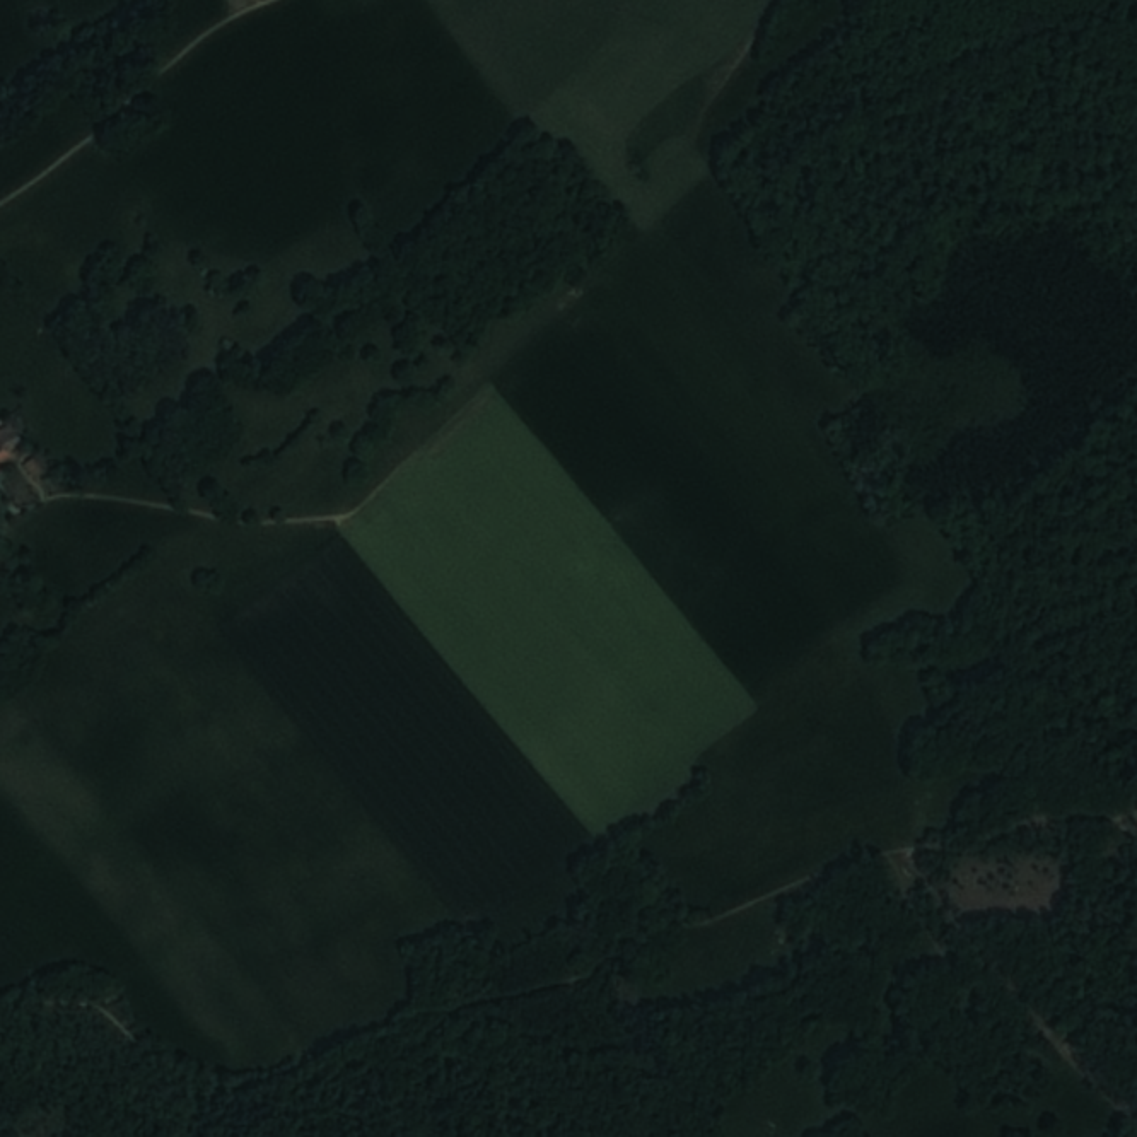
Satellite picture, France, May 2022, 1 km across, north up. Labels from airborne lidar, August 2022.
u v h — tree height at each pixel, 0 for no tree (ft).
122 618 0
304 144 0
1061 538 75
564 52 0
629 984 88
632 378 0
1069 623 45
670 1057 58
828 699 0
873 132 74
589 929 53
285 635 0
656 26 0
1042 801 54
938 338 61
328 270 0
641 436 0
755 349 0
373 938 0
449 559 0
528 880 0
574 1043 24
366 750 0
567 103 0
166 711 0
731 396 0
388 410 62
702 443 0
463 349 60
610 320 0
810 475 0
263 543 0
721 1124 36
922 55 58
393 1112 66
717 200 0
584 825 0
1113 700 63
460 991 38
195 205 0
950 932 52
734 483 0
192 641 0
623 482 0
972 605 52
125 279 30
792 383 0
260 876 0
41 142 0
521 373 0
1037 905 0
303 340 69
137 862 0
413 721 0
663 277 0
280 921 0
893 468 62
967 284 54
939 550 0
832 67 68
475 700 0
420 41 0
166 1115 61
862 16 57
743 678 0
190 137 0
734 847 0
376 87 0
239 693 0
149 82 58
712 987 0
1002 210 73
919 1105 0
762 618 0
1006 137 51
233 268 0
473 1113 81
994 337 49
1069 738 64
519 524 0
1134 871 63
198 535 0
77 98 54
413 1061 57
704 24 0
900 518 33
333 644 0
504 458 0
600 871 64
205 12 0
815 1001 63
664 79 0
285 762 0
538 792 0
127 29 84
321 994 0
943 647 62
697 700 0
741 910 0
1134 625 40
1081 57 58
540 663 0
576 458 0
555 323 0
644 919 71
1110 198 102
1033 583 69
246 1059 0
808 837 0
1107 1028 68
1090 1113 0
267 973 0
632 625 0
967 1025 72
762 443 0
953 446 47
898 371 81
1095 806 54
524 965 33
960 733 79
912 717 0
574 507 0
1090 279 49
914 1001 64
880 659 60
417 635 0
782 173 93
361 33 0
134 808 0
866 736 0
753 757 0
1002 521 86
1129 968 29
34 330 0
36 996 39
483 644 0
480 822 0
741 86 0
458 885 0
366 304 49
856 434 45
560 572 0
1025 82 58
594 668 0
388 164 0
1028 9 54
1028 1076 83
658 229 0
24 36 0
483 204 66
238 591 0
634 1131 52
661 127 0
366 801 0
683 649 0
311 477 0
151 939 0
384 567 0
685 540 0
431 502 0
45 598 72
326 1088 60
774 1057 55
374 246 59
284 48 0
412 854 0
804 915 76
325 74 0
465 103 0
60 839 0
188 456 78
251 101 0
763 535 0
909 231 79
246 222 0
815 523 0
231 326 0
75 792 0
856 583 0
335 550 0
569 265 77
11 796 0
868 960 81
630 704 0
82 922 0
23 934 0
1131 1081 61
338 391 0
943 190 60
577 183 27
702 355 0
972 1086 83
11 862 0
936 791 0
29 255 0
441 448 0
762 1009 68
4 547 54
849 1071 79
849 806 0
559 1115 62
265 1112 25
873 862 62
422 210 0
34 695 0
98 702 0
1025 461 48
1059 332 54
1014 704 80
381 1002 0
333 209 0
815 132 65
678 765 0
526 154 53
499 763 0
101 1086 22
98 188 0
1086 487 85
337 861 0
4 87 51
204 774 0
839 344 82
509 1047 63
